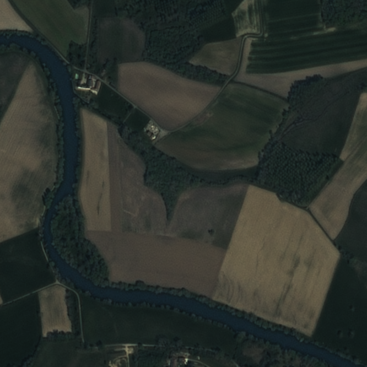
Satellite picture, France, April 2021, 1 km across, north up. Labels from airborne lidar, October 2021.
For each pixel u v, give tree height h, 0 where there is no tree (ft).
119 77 0
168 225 0
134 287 27
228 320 0
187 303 0
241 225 0
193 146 0
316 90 97
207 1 0
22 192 0
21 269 0
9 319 0
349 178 0
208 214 0
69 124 0
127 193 0
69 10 0
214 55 0
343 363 0
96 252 70
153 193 0
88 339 0
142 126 0
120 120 43
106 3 0
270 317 0
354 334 54
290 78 0
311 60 0
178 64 58
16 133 0
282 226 0
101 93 0
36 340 0
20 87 0
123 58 0
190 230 0
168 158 31
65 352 0
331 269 0
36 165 0
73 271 0
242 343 26
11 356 0
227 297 0
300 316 0
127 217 0
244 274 0
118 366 0
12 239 0
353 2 107
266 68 0
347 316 0
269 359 19
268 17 0
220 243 0
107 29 0
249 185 0
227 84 0
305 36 0
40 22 0
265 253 0
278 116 0
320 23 0
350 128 0
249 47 0
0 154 0
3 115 0
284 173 96
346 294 0
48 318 0
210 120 0
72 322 29
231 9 0
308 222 0
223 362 31
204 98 0
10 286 0
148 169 37
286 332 48
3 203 0
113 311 0
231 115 0
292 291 0
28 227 0
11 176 0
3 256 0
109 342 0
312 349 0
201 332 0
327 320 0
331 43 0
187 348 34
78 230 37
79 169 89
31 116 0
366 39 0
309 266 0
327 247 0
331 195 0
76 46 19
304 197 71
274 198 0
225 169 0
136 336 0
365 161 0
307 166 83
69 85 0
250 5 0
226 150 0
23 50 42
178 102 0
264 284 0
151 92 0
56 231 45
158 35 24
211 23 94
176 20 22
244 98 0
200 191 0
